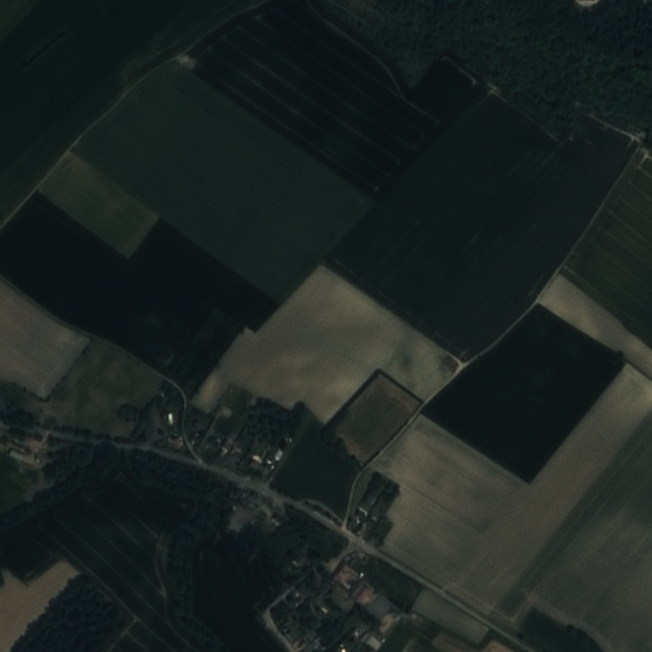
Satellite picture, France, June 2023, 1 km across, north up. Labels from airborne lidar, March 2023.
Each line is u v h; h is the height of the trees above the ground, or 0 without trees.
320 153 0
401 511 0
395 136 0
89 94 0
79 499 0
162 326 0
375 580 0
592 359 0
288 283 0
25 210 0
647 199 0
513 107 0
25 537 0
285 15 0
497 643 0
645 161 0
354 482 0
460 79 0
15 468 0
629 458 0
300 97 0
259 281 0
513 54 21
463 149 0
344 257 0
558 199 0
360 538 0
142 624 0
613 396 0
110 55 0
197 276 0
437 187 0
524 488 0
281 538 0
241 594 0
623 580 0
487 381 0
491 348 0
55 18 0
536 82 18
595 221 0
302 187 0
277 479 0
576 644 0
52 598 0
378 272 0
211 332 0
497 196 0
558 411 0
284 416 14
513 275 0
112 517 0
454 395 0
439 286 0
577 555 0
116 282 0
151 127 0
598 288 0
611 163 0
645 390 0
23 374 0
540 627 0
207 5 0
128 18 0
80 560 0
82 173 0
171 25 0
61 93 0
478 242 0
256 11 0
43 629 17
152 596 0
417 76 9
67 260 0
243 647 0
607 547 0
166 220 0
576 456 0
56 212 0
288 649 0
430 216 0
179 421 7
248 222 0
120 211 0
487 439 0
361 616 9
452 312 0
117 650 0
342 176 0
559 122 7
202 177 0
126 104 0
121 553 0
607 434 0
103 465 20
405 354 0
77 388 0
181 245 0
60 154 0
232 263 0
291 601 14
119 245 0
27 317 0
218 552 0
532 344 0
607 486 0
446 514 0
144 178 0
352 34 0
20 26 0
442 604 0
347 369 0
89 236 0
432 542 0
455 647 0
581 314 0
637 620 0
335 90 0
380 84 0
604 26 20
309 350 0
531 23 20
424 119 0
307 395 0
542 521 0
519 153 0
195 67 0
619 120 6
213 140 0
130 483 0
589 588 0
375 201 0
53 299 0
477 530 0
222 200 0
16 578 0
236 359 0
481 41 23
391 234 0
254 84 0
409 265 0
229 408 0
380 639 0
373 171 0
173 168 0
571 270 0
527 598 0
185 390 0
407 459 0
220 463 0
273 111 0
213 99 0
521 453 0
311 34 0
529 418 0
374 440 0
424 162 0
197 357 0
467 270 0
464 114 0
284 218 0
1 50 0
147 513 0
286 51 0
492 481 0
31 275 0
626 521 0
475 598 0
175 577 14
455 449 0
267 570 0
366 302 0
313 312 0
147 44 0
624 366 0
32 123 0
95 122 0
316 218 0
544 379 0
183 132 0
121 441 6
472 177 0
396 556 0
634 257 0
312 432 0
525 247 0
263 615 0
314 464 0
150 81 0
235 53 0
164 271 0
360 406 0
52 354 0
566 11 21
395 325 0
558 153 0
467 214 0
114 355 0
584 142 0
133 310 0
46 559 0
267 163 0
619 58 17
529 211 0
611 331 0
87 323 0
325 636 19
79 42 0
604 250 0
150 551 0
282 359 0
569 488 0
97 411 0
